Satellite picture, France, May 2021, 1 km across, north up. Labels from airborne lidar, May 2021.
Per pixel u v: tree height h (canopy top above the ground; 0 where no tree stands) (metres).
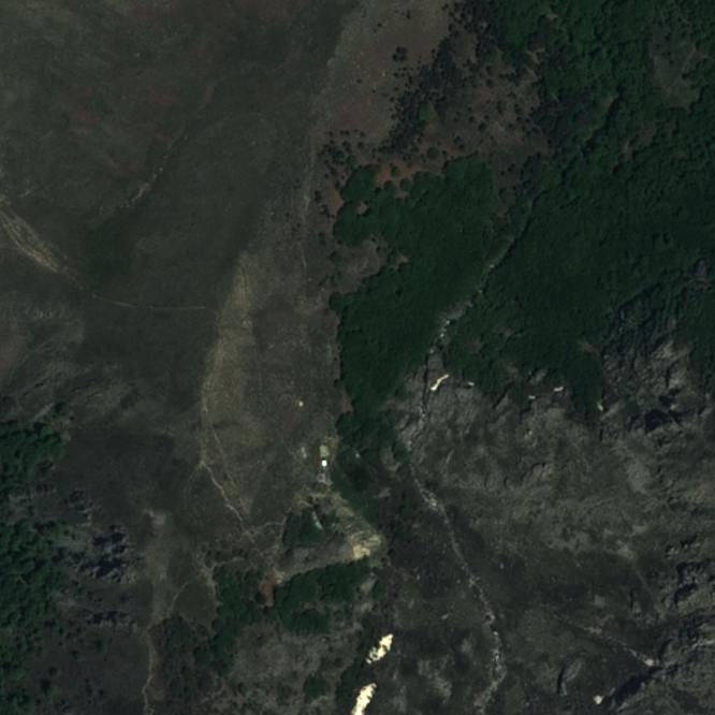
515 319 15
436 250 14
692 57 0
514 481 0
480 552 0
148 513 0
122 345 0
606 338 8
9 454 21
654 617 0
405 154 7
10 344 0
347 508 0
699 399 0
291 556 8
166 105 0
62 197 0
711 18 12
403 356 19
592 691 6
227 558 9
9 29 0
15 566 21
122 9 0
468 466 0
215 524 0
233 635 12
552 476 0
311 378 0
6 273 0
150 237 0
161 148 0
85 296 0
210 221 0
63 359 0
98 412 0
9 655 14
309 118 0
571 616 0
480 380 6
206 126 0
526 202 14
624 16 31
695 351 7
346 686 9
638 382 0
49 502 0
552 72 16
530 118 8
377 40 0
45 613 9
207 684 14
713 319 8
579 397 13
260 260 0
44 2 0
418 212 22
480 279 8
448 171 19
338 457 0
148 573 0
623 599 0
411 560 8
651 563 0
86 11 0
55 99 0
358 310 24
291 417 0
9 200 0
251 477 0
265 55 0
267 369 0
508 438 0
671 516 0
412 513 10
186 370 0
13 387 0
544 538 0
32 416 0
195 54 0
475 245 10
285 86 0
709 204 15
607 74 10
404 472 9
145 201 0
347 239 20
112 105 0
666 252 17
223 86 0
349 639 0
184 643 9
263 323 0
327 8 0
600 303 8
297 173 0
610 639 0
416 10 0
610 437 0
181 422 0
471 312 11
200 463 0
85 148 0
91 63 0
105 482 0
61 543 0
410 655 0
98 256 0
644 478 0
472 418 0
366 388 21
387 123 0
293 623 13
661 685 0
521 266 18
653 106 15
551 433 0
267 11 0
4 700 15
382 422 9
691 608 0
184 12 0
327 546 0
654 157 17
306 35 0
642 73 14
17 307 0
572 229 22
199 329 0
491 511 0
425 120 13
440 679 0
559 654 0
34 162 0
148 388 0
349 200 15
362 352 16
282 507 0
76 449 0
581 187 22
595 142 19
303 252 0
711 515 0
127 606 0
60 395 0
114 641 0
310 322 0
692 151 17
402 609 0
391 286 27
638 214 14
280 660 0
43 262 0
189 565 0
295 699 0
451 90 7
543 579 0
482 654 0
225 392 0
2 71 0
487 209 15
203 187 0
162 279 0
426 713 0
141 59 0
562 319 15
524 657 0
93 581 0
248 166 0
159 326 0
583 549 0
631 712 0
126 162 0
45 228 0
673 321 0
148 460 0
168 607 0
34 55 0
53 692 12
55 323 0
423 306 18
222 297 0
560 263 20
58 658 0
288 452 0
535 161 18
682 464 0
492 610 0
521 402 8
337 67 0
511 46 20
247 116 0
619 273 16
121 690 0
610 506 0
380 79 0
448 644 0
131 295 0
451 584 0
